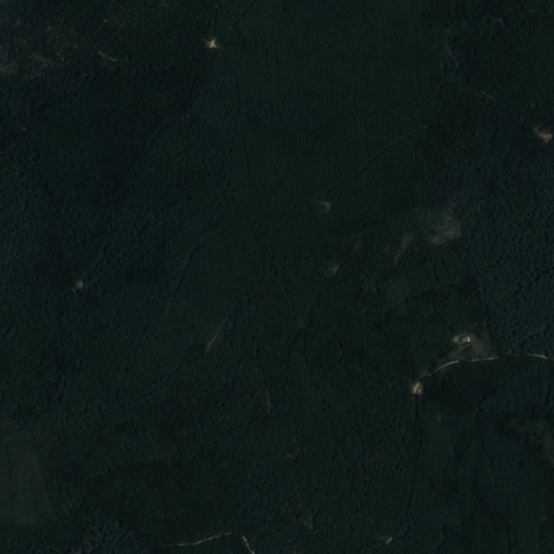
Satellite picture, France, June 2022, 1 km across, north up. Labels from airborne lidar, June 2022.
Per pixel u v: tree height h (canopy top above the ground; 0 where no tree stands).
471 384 14
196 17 15
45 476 6
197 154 11
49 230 16
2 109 9
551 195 20
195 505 10
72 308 19
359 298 15
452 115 10
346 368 11
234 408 18
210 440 18
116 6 14
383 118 13
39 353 7
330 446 15
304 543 16
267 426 11
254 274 9
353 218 10
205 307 10
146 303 9
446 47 8
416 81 12
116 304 10
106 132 15
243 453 17
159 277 17
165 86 11
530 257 27
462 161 12
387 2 14
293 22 13
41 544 9
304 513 14
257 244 9
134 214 12
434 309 16
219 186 12
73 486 17
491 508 21
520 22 22
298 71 9
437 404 13
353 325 20
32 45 8
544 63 18
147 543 23
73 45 10
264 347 17
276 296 12
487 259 26
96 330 18
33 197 17
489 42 17
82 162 16
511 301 26
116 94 17
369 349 20
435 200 12
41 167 17
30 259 19
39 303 14
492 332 18
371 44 13
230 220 12
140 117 19
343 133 11
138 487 22
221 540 12
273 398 7
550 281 29
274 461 17
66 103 20
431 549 19
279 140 13
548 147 8
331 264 11
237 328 20
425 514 22
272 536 16
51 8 15
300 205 12
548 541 9
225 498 12
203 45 12
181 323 11
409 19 15
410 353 20
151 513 14
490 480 23
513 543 14
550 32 16
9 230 22
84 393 24
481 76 21
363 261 14
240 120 12
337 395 18
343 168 12
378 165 10
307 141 14
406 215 15
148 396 11
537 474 23
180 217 13
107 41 10
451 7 11
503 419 12
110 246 10
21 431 11
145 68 11
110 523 25
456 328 24
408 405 21
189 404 15
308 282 13
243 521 13
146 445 17
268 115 16
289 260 10
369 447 20
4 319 12
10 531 7
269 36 12
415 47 12
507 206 9
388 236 9
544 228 18
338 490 18
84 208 10
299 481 16
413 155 12
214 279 11
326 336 22
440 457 17
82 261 20
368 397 21
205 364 14
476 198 12
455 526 22
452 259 15
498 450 23
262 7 12
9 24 6
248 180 12
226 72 13
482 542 12
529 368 18
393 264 10
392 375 20
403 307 10
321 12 16
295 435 15
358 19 13
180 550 16
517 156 15
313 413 16
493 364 11
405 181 10
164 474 12
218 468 17
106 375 7
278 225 11
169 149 23
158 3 10
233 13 12
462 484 22
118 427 13
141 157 18
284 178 12
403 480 21
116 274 8
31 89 21
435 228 8
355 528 19
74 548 10
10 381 7
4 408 16
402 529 16
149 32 10
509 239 24
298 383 18
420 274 19
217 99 10
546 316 28
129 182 18
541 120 16
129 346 11
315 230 12
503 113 17
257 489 20
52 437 8
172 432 12
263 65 12
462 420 18
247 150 11
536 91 17
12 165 17
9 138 6
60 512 12
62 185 14
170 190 16
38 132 13
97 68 20
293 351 20
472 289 14
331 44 12
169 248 19
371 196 12
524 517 17
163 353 8
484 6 13
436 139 7
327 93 12
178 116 16
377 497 14
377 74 11
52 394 16
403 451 18
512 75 19
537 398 21
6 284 11
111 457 19
